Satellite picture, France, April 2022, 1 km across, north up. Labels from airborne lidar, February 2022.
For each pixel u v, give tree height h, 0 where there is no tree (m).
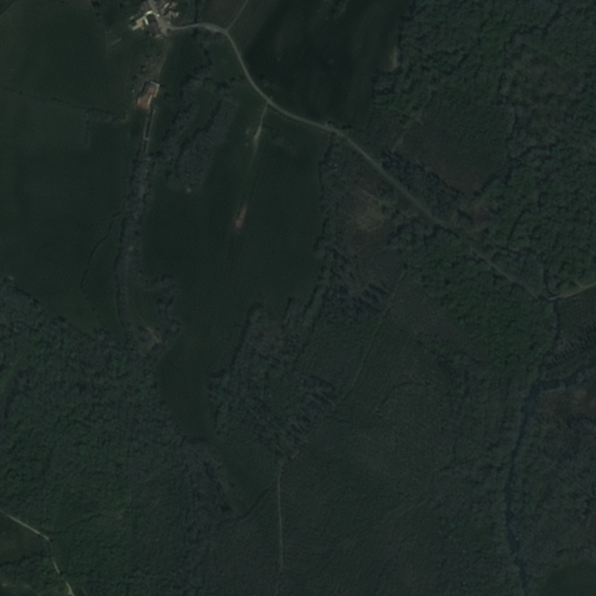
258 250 0
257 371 28
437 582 10
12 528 0
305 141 0
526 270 23
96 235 0
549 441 12
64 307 0
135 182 16
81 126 0
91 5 0
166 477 8
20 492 13
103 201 0
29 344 20
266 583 8
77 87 0
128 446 18
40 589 15
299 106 0
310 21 0
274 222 0
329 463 11
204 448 22
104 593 21
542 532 29
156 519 8
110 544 9
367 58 0
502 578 22
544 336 22
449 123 13
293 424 23
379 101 20
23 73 0
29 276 0
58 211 0
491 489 26
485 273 19
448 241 25
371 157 0
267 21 0
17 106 0
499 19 25
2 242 0
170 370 0
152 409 22
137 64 0
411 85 23
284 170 0
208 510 9
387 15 0
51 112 0
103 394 16
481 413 23
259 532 8
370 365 6
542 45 26
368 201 0
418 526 8
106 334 9
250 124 0
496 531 15
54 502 10
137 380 23
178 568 6
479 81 26
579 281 17
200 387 0
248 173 0
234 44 0
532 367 24
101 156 0
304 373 13
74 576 8
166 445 28
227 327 0
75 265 0
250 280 0
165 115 0
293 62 0
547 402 0
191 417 0
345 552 8
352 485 9
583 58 20
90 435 27
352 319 19
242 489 0
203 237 0
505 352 23
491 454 19
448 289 23
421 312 9
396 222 19
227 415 11
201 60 0
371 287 0
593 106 22
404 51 17
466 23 24
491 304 19
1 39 0
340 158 24
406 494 14
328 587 9
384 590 13
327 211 16
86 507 7
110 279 0
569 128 22
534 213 25
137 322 0
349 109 0
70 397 30
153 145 0
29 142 0
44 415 27
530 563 20
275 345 0
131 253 7
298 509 7
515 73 27
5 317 24
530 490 27
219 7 0
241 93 0
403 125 13
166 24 0
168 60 0
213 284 0
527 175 21
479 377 24
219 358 0
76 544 6
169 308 12
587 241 25
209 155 18
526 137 26
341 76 0
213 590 9
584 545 0
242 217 0
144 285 17
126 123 0
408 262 21
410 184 23
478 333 18
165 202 0
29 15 0
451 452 20
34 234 0
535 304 19
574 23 23
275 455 25
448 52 30
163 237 0
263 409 30
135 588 17
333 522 8
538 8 28
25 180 0
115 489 17
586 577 0
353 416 8
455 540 14
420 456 16
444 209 17
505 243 11
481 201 23
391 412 18
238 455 6
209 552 10
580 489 27
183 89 13
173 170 0
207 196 0
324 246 21
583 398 0
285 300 0
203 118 0
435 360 12
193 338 0
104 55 0
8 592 0
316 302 15
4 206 0
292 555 8
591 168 23
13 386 0
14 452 9
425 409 17
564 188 28
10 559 0
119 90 0
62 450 23
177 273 0
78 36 0
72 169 0
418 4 16
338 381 15
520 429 17
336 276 14
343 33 0
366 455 11
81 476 23
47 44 0
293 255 0
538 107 24
